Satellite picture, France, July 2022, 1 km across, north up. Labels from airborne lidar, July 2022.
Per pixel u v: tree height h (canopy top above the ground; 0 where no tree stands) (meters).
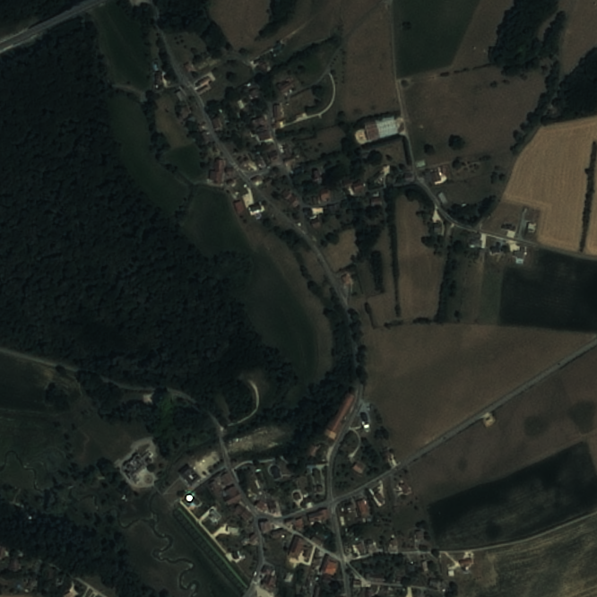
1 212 22
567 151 0
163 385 29
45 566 13
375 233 7
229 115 8
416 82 0
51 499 29
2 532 25
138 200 7
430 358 0
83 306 19
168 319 28
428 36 0
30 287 24
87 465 0
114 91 14
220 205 0
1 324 22
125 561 24
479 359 0
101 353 8
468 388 0
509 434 0
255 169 0
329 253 0
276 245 0
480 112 0
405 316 0
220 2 0
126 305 24
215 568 0
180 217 16
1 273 25
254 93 0
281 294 0
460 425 0
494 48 6
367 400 0
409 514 0
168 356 18
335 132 0
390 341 0
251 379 0
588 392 0
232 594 0
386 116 10
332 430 0
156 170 0
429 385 0
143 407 27
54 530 33
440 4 0
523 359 0
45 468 0
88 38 21
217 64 0
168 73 12
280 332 0
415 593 7
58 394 23
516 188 0
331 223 0
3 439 0
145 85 0
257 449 0
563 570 0
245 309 18
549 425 0
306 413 21
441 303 9
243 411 12
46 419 0
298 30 0
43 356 11
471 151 0
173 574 0
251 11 0
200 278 29
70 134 28
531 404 0
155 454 0
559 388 0
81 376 19
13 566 0
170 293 22
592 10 0
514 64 14
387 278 0
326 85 0
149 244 25
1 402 0
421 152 0
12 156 26
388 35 0
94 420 0
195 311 21
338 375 10
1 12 22
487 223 0
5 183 21
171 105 0
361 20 0
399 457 0
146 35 14
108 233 26
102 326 12
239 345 24
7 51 0
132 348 8
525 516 0
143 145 0
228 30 0
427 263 0
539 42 15
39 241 27
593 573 0
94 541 35
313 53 9
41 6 9
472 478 0
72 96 33
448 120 0
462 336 0
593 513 0
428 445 0
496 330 0
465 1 0
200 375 21
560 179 0
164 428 28
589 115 8
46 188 23
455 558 0
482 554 0
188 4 16
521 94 0
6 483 0
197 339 25
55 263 21
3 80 26
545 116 7
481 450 0
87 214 22
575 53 0
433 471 0
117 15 0
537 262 0
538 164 0
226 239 0
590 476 0
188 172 0
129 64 0
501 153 0
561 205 0
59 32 14
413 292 0
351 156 18
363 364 17
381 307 0
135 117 0
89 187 22
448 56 0
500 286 0
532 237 0
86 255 15
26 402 0
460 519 0
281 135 11
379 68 0
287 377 21
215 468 7
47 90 24
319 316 0
